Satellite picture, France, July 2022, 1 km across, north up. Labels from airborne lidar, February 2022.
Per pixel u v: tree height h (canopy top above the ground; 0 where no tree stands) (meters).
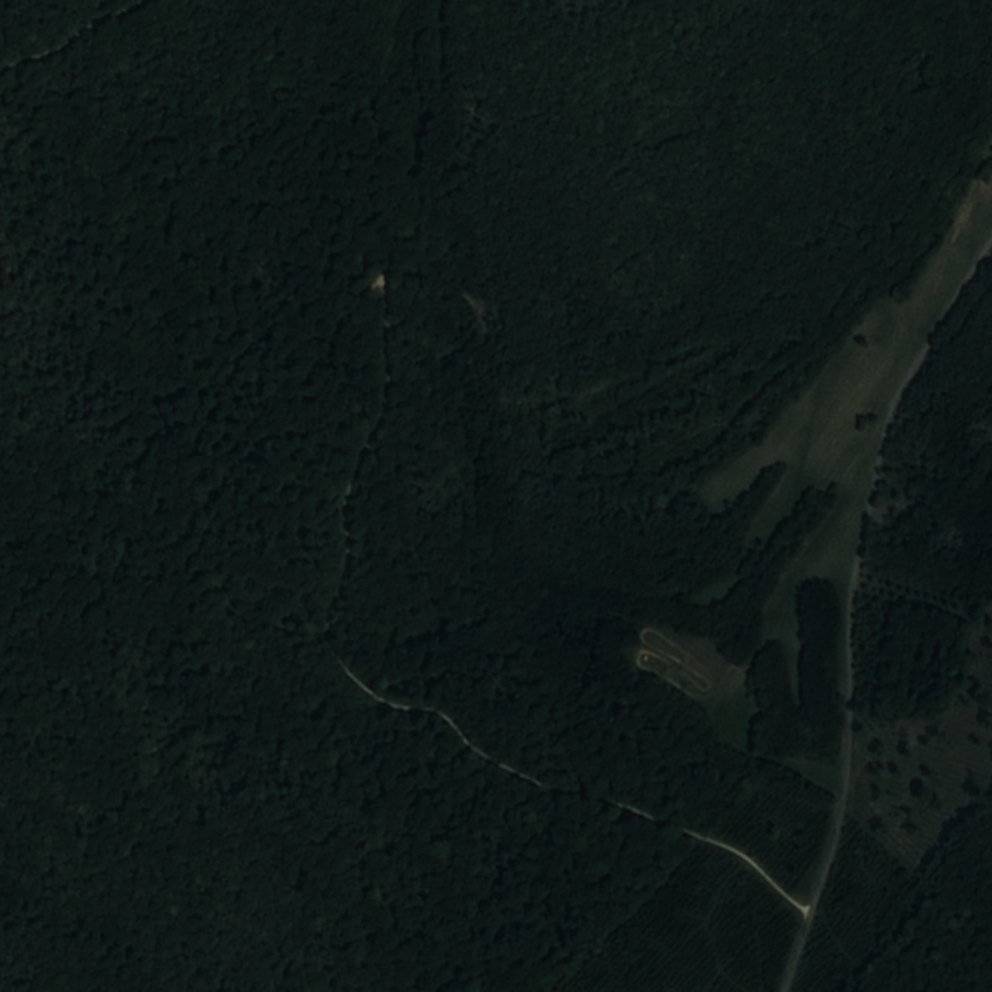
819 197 21
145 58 18
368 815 25
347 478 18
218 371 25
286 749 25
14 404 21
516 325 18
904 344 0
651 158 12
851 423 0
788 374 18
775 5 15
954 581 21
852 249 17
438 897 25
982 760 0
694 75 18
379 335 18
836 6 20
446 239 20
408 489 18
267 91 22
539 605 22
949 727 0
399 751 25
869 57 18
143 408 28
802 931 0
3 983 14
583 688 12
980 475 12
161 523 23
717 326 21
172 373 27
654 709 23
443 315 20
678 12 14
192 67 18
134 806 25
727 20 12
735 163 19
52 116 18
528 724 22
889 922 9
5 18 22
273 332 31
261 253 22
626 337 16
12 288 16
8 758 22
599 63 17
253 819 20
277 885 20
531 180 19
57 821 21
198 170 18
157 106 23
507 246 20
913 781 0
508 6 17
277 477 29
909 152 24
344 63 23
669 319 21
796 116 16
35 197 25
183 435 35
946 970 22
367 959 20
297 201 21
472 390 18
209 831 20
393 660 33
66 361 11
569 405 16
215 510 13
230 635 20
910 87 19
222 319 10
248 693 22
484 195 18
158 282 26
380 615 23
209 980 18
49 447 24
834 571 0
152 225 12
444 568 22
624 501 24
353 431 20
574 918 17
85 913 19
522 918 20
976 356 21
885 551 22
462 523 21
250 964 17
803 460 0
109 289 21
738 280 19
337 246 29
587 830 27
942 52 20
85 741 22
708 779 26
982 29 16
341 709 21
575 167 17
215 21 15
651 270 17
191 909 20
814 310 22
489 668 28
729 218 19
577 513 25
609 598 21
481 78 18
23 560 22
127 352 22
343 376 22
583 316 18
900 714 22
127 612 28
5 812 21
